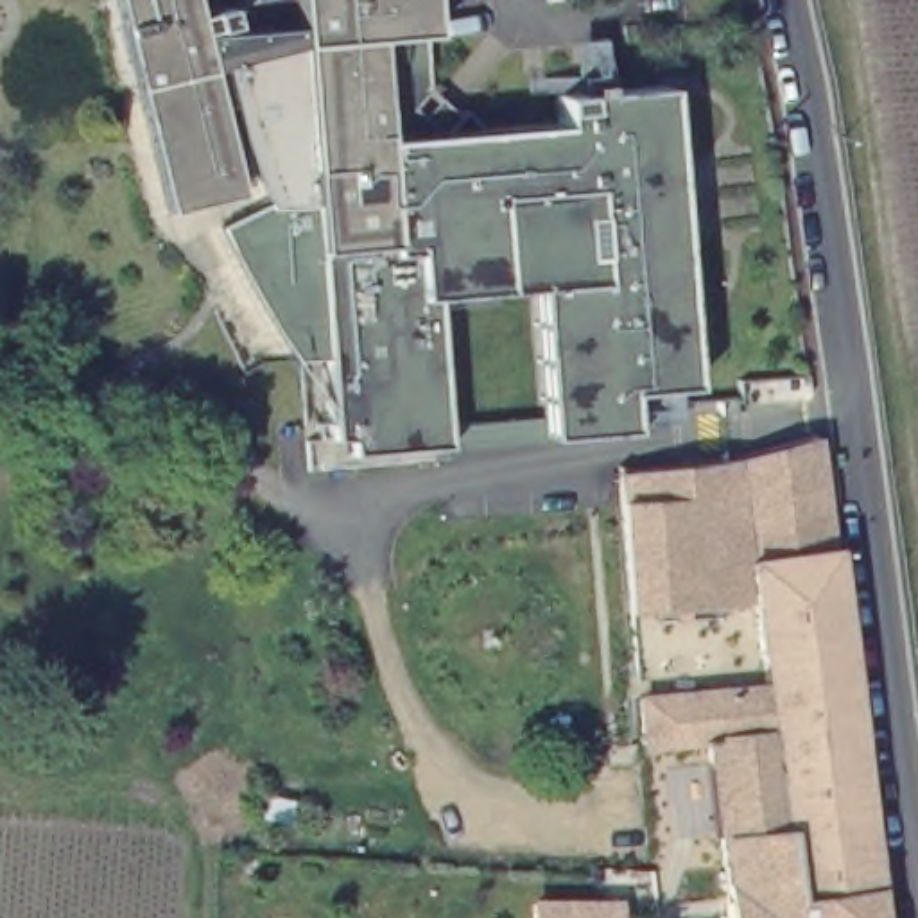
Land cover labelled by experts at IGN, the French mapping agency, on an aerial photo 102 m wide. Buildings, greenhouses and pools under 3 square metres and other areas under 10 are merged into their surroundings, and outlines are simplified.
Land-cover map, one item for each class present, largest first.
<instances>
[{"label":"building","instance_id":"1","mask_svg":"<svg viewBox=\"0 0 918 918\"><path fill-rule=\"evenodd\" d=\"M118 86L129 90V140L140 186L158 226L176 212H204L226 204L230 197L251 186L255 204L237 208L233 215H226L222 226L233 233L240 262L247 265L273 319L287 333V355L301 373V420L308 434L323 437L305 441V470L312 473L369 466H430L437 463L441 448L463 445V427L455 391L452 312L495 298L534 301L531 333L538 362V405L545 409V416L552 437L581 445L588 437H635L642 427H649L653 394H685L689 405L717 402L710 391L714 373L706 333L689 93L620 90L613 75V50L606 39L581 43L574 65L552 75L574 79V90L563 86L552 93L567 111L559 129L488 136L459 113L441 93V86L434 72V47L452 39L445 36V22L452 18L448 0H104ZM620 513L624 588L631 624L628 681V710L631 717H642V739L653 757L656 749H678V764H710L703 789V796L710 800V832L721 839L717 879L721 893L714 900H699L692 911L696 918H893V879L882 832L875 728L853 563L850 552H832L825 541L839 534L828 445L807 441L796 448L739 463L624 473L617 481ZM703 610H717L721 620L728 617L739 635L757 642L760 671L678 678H656L649 671L642 624L660 620L663 635H671L681 620H696ZM531 918H628V904L602 900H538L531 907Z\"/></svg>","mask_w":918,"mask_h":918},{"label":"herbaceous vegetation","instance_id":"2","mask_svg":"<svg viewBox=\"0 0 918 918\"><path fill-rule=\"evenodd\" d=\"M43 11L75 18L86 29L93 54L104 57L79 90L104 104L108 93L118 86L104 0H18V14L25 22H32ZM843 115V147L868 287L871 341L879 362V391L900 520V552L907 574V599L914 602L911 624L918 656V341L911 330L914 276L904 269L900 258V219L914 208V190L911 179H896V165L882 158L893 104L889 93H879V72L893 65L896 54L893 43L879 39L875 0H818ZM613 75L620 90L689 93L706 333L714 373L710 391L717 402H732L739 394V380H785L789 373L782 369V355H771L767 348L775 337H803V312L796 305L792 251L785 230L782 165L771 147L767 97L757 72H724L706 86L699 54L653 61L628 43L613 50ZM524 57L509 54L491 68L488 86L459 113L488 136L559 129L567 111L552 93L524 90ZM90 126H79L72 140L47 147L36 158L39 179L11 226V255H0V319H18L36 301H61L65 312L75 308L82 312V319L104 323L111 341L79 366V398L90 402L108 384H136L147 394L169 391L179 394L186 409L197 398H204L212 402L215 420L237 416L244 423L247 470H255L269 459V430L276 434L290 420H301V373L287 355L258 351L251 369L222 362L219 355L226 351V341L219 333V316L183 351H176L154 333L161 330L165 312H179L183 283L194 273L183 265L158 262V251L169 240L165 233H158V226L140 186L129 140L93 143L86 133ZM65 176H82L90 183V197L82 208H57V190ZM534 301L495 298L452 312L455 391L463 427L545 416V409L538 405V362L531 333ZM7 473L0 466V628L14 620L25 631L22 645L32 649L36 660L57 674L61 692L79 699L86 714H97V735L90 739L70 785L39 778L36 771L25 775L29 764H22L0 742V818L140 825L176 836L183 843V907L190 918H531V907L538 900H602L610 889L606 882L545 886L541 871L495 868H452L448 875H430V868L445 864L452 850L445 846L441 825L430 821L420 800L416 753L398 728V717L384 696L377 671L362 681L351 724L330 732L326 721L316 717L312 703L323 667L316 660H294V653L280 645V638L305 635L316 624L301 613V602L312 599V592L326 577L316 556L305 552L287 570V588L269 606H233L212 595L208 585L190 588L186 563L154 567L140 577H129L122 588L86 585L75 595H65L54 592L57 567L36 563L29 556L22 563H7V552H14L18 545L11 524L4 520ZM179 710H194L197 728L186 749H169L165 732ZM251 767L280 800L316 803L326 810L333 807V814H348L351 839L344 843L348 853L416 846L420 864L298 857L287 871H280V879H258V864L251 861V853L258 843L240 836V796ZM233 513L244 516L255 534H283L290 545L301 549L305 527L294 516L255 498H237ZM387 620L423 710L477 767L509 778V757L520 742V732L534 735L541 728L574 739L585 749V760L599 771L610 753V742L599 710L602 678L595 581L588 524L581 509L445 520L441 509L427 506L398 534L394 585L387 588ZM613 678L628 681L631 624L624 588L620 513L613 506L599 509ZM681 886L699 900H714L721 893L717 879L714 871H689Z\"/></svg>","mask_w":918,"mask_h":918},{"label":"impervious surface","instance_id":"3","mask_svg":"<svg viewBox=\"0 0 918 918\"><path fill-rule=\"evenodd\" d=\"M452 18L445 22V36L452 39H466L470 57L455 68V79L441 86V93L459 113L488 86L491 68L509 54L524 57V90L552 93L563 86L574 90V79L552 75L574 65L581 43L606 39L613 50L628 43L631 29H681L685 0H448ZM739 22L746 25L739 43L742 54L757 57V72L767 97L771 147L782 165L785 230L792 251L796 305L803 312V337L807 380H739V394L732 402H717L689 405L685 394H653L649 427H642L635 437H588L581 445L552 437L545 416L463 427V445L441 448L437 463L430 466H369L312 473L305 470V441L323 437L308 434L301 420H290L276 434L269 430V459L255 470V498L294 516L305 527L301 549L305 552L316 556L326 577L337 588L355 592L380 585L387 588L394 585L398 534L427 506L441 509L445 520L581 509H599L613 506L620 513L617 481L624 473L739 463L796 448L807 441L828 445L839 534L825 541L832 552H850L853 563L875 728L882 832L893 879V918H918V656L911 624L914 602L907 599V574L900 552V520L879 391V362L871 341L868 287L843 147V115L818 0H735ZM255 204L251 186L230 197L226 204L204 212H176L158 226V233H165L169 240L179 244L208 280L201 308L194 316L179 312H165L161 330L154 333L176 351H183L219 316V333L226 341V351L219 355L222 362L251 369L258 351L287 355V333L273 319L247 265L240 262L233 233L222 226L226 215H233L237 208ZM649 671L656 678H678L760 671L757 642L739 635L728 617L721 620L717 610H703L696 620H681L671 635H663L660 620L642 624ZM710 764H678V749H656L653 757L660 868L606 871V882L610 889L602 900L628 904V918H696L692 911L699 900L681 886L689 871H696L699 857L692 853V839H703L710 832V800L703 796V789Z\"/></svg>","mask_w":918,"mask_h":918},{"label":"deciduous trees","instance_id":"4","mask_svg":"<svg viewBox=\"0 0 918 918\"><path fill-rule=\"evenodd\" d=\"M746 25L739 22L735 0H685L681 29H631L628 43L653 61L699 54L706 86L724 72H757V57L742 54L739 43ZM104 57L93 54L86 29L75 18L43 11L32 22H25L18 39L4 54L0 68V255H11V226L39 179L36 158L47 147L72 140L79 126H90L86 133L93 143L129 140V90L118 86L108 93L104 104L79 90ZM470 57L466 39H452L434 47V72L441 86L455 79V68ZM90 197V183L82 176H65L57 190V208H82ZM158 262L183 265L194 273L183 283L179 312L194 316L201 308L208 280L179 244L169 240L158 251ZM111 341L104 323L82 319V312L75 308L65 312L61 301H36L18 319H0V466L7 473L4 520L11 524L18 545L14 552H7V563H22L29 556L36 563L57 567L54 592L65 595H75L86 585L122 588L129 577H140L154 567L186 563L190 588L208 585L212 595L233 606H269L287 588V570L305 552L301 549L290 545L283 534H255L244 516L233 513L237 498H255V470H247L244 423L237 416L215 420L212 402L204 398H197L186 409L179 394L169 391L147 394L136 384H108L90 402L79 398V366ZM771 355H782V369L789 373L785 380H807L803 337H775L767 348ZM301 613L316 624L305 635L280 638V645L294 653V660H316L323 667L312 703L316 717L326 721L330 732L351 724L362 681L377 671L355 592L337 588L326 577L312 592V599L301 602ZM25 631L14 620L0 628V742L22 764H29L25 775L36 771L39 778L70 785L90 739L97 735V714H86L79 699L61 692L57 674L36 660L32 649L22 645ZM197 728L194 710H179L165 732L169 749H186ZM599 771L585 760V749L574 739L541 728L534 735L520 732V742L509 757V778L538 800H577ZM240 836L258 843L251 853V861L258 864V879H280V871H287L298 857H287L283 850L294 843H344L351 839L348 814H333V807L326 810L316 803L280 800L251 767L240 796Z\"/></svg>","mask_w":918,"mask_h":918},{"label":"pervious surface","instance_id":"5","mask_svg":"<svg viewBox=\"0 0 918 918\"><path fill-rule=\"evenodd\" d=\"M25 22L18 14V0H0V68L4 54L18 39ZM588 524L595 581L602 678L599 710L610 742V753L599 771L577 800H538L509 778L477 767L423 710L387 620V588L380 585L355 592L377 671L384 696L398 717V728L416 753L420 800L430 821L441 825L445 846L452 850L642 857V828L635 825L642 818V796L638 760L631 746L642 739V717H631L628 710V681L613 678L599 509H581ZM692 853L699 857L696 871H714L717 879L721 839L710 832L703 839H692Z\"/></svg>","mask_w":918,"mask_h":918},{"label":"vineyard","instance_id":"6","mask_svg":"<svg viewBox=\"0 0 918 918\"><path fill-rule=\"evenodd\" d=\"M879 39L893 43L896 54L893 65L879 72V93H889L893 104L882 158L896 165V179H911L914 190V208L900 219V258L904 269L914 276L911 330L918 341V0H875ZM183 843L176 836L140 825L0 818V918H190L183 907Z\"/></svg>","mask_w":918,"mask_h":918},{"label":"brushwood","instance_id":"7","mask_svg":"<svg viewBox=\"0 0 918 918\"><path fill-rule=\"evenodd\" d=\"M638 760L642 796V818L635 825L642 828V857L452 850L445 864L430 868V875H448L452 868H495L541 871L545 886L606 882V871L660 868L653 757L642 739L631 746ZM283 850L287 857H298L420 864L416 846L348 853L344 843H294Z\"/></svg>","mask_w":918,"mask_h":918}]
</instances>
